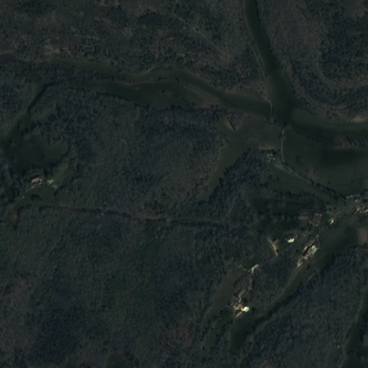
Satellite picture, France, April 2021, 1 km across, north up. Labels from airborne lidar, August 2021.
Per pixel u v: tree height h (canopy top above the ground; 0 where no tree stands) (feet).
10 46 33
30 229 53
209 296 54
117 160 79
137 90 0
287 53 27
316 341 65
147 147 67
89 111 66
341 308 53
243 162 30
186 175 62
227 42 59
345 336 66
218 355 77
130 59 27
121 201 43
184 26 20
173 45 42
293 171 25
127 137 81
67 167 46
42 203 31
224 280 22
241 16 22
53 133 42
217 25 77
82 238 82
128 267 67
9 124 56
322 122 0
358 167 0
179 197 49
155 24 73
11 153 0
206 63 35
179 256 52
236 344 0
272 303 45
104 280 70
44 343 61
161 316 63
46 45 26
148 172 67
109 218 45
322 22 45
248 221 28
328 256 0
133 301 71
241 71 32
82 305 67
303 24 48
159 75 0
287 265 63
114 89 0
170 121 41
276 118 0
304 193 0
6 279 41
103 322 66
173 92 0
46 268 57
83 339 57
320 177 0
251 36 23
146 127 43
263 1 31
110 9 33
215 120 50
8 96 51
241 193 53
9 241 66
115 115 60
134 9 49
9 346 49
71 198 85
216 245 78
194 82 0
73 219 83
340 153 0
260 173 45
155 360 52
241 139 0
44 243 78
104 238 53
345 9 45
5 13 50
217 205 45
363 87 35
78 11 32
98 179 67
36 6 78
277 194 27
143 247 63
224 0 63
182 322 50
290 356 64
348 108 36
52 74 26
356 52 30
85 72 33
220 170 0
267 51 0
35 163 0
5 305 40
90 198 95
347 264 47
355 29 69
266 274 80
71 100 51
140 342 83
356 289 51
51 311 52
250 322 0
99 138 73
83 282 61
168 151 60
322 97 46
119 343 54
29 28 40
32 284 45
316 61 34
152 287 68
